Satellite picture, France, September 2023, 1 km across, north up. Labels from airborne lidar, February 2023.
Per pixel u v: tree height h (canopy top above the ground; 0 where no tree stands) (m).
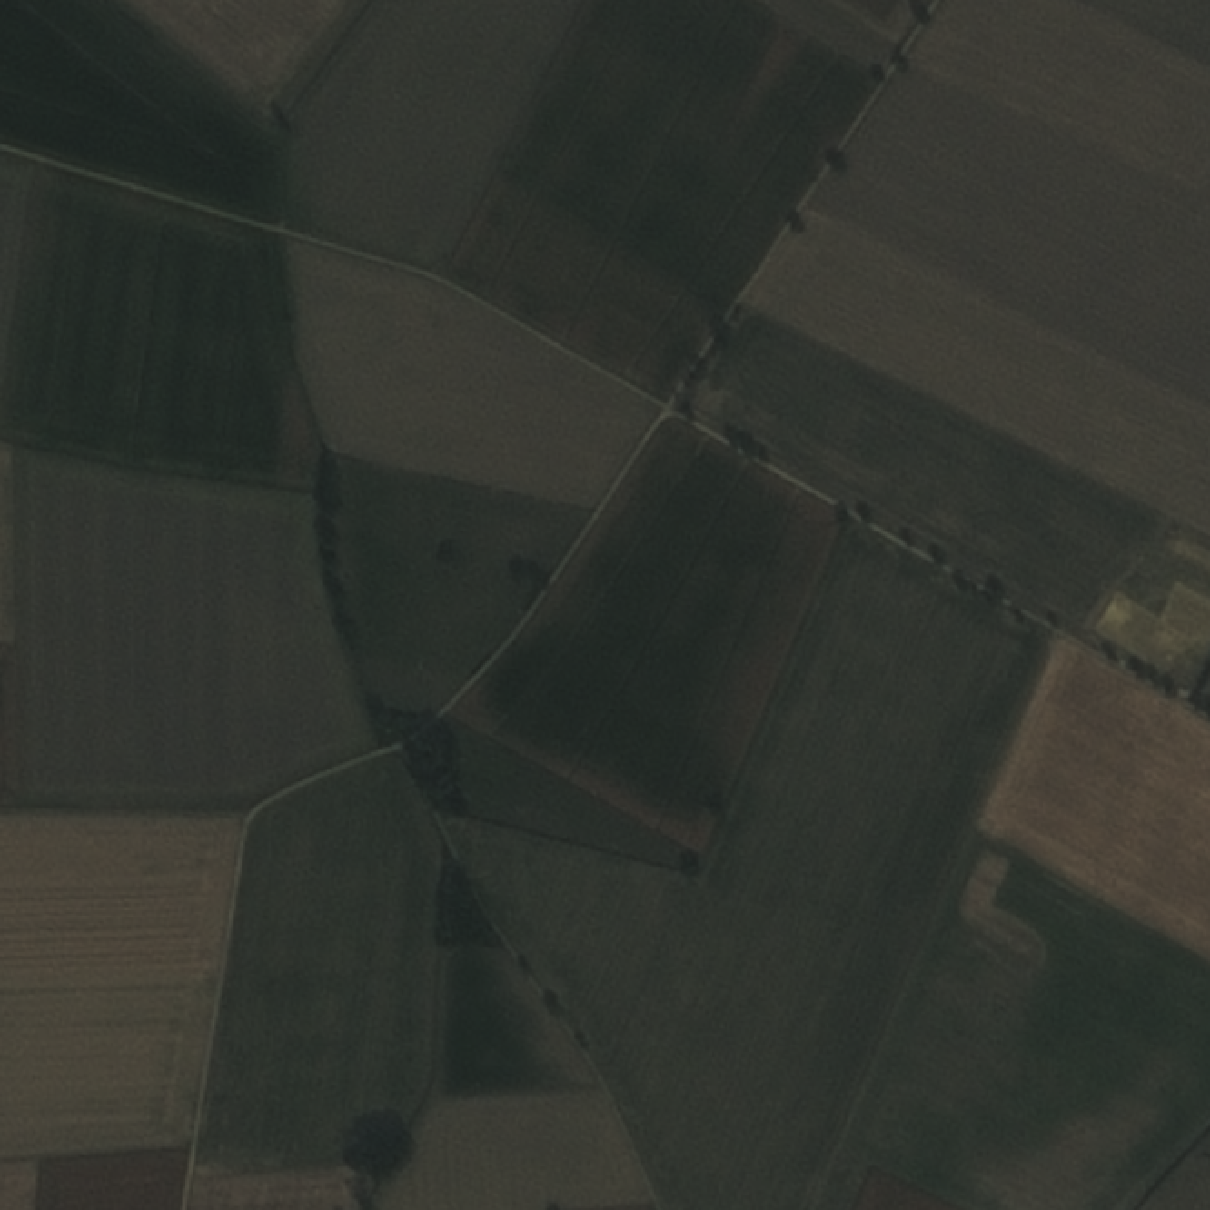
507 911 0
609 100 0
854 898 0
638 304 0
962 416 0
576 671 0
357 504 0
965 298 0
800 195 0
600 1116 0
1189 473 0
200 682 0
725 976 0
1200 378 0
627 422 0
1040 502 0
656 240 0
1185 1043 0
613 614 0
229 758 0
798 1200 0
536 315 0
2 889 0
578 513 0
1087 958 0
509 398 0
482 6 0
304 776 0
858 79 0
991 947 0
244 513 0
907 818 0
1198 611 0
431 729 18
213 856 0
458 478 0
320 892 0
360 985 0
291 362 0
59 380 0
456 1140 0
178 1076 0
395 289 0
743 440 10
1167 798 0
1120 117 0
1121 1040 0
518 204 0
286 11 0
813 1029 0
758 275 0
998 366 0
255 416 0
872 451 0
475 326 0
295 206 0
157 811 0
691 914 0
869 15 0
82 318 0
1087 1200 0
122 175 0
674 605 0
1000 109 0
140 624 0
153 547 0
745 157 0
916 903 0
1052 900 0
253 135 0
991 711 0
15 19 0
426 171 0
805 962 0
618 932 0
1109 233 0
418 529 0
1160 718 0
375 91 0
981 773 0
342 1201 0
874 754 0
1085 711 0
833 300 0
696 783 0
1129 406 0
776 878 0
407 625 0
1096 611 0
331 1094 0
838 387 0
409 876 0
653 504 0
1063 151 0
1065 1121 0
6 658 0
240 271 0
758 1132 0
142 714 0
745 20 0
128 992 0
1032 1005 0
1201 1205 0
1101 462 0
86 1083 0
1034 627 0
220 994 0
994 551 0
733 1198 0
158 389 0
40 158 0
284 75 0
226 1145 0
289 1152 0
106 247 0
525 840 0
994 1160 0
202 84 0
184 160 0
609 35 0
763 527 0
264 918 0
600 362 0
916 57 0
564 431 0
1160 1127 0
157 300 0
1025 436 0
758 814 0
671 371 0
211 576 0
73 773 0
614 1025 0
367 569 0
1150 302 0
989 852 0
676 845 0
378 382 0
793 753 0
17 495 0
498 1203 0
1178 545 0
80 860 0
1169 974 0
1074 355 0
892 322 0
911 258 0
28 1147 0
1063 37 0
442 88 0
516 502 0
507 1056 0
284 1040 0
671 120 0
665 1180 0
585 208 0
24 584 0
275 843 0
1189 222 0
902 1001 0
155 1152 0
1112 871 0
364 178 0
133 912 0
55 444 0
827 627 0
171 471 0
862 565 0
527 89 0
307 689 0
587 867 0
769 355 0
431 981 0
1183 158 0
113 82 0
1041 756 0
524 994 0
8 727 0
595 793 0
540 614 0
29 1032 0
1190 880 0
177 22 0
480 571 0
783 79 0
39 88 0
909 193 0
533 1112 0
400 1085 0
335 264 0
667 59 0
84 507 0
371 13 0
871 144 0
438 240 0
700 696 0
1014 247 0
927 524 0
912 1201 0
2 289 0
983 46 0
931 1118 0
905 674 0
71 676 0
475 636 0
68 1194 0
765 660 0
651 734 0
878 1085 0
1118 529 0
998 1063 0
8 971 0
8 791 0
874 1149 0
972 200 0
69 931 0
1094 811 0
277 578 0
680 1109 0
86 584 0
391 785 0
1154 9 0
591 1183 0
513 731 0
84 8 0
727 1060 0
